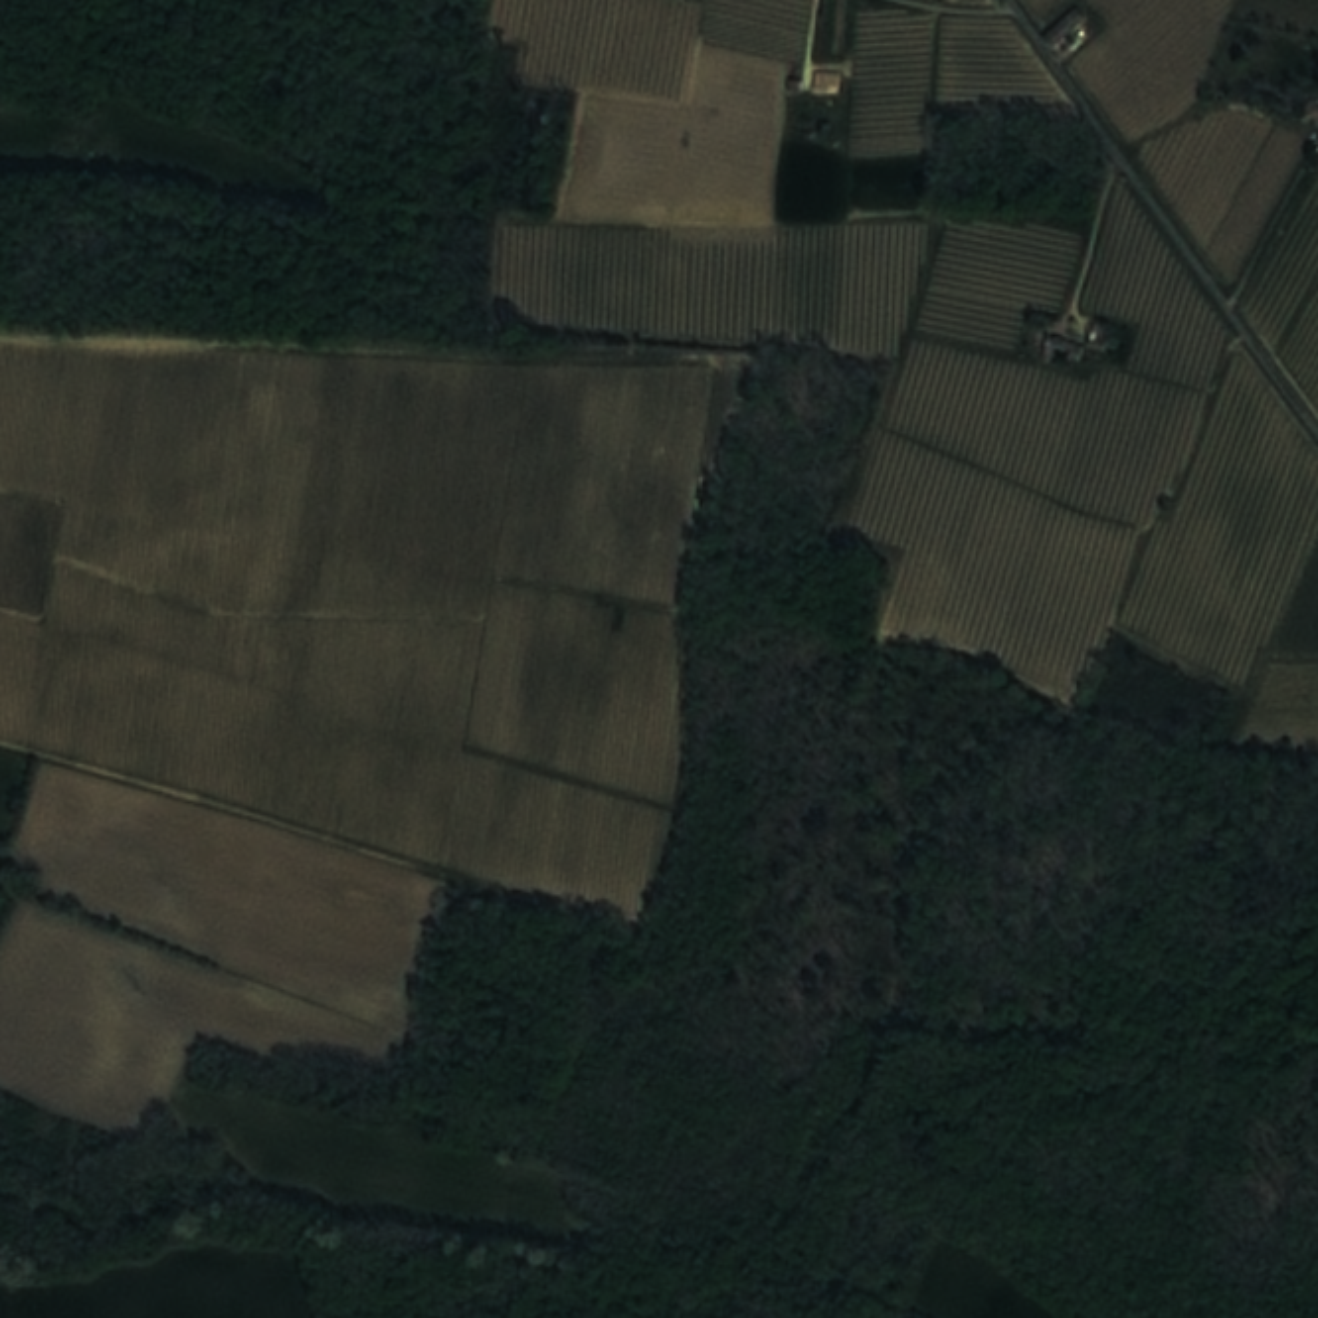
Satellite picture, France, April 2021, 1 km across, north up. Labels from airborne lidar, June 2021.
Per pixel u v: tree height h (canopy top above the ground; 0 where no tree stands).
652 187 0
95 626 0
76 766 0
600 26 0
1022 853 21
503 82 9
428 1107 21
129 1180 15
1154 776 19
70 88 20
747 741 10
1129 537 0
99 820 0
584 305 0
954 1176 20
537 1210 0
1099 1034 20
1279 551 0
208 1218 17
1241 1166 18
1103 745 14
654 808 0
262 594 0
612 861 0
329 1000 0
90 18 28
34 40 21
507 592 0
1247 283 0
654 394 0
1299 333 0
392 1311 19
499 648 0
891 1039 21
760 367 18
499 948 27
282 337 19
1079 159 20
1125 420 0
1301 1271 21
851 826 8
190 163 0
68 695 0
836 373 19
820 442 19
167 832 0
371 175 24
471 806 0
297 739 0
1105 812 19
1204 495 0
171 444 0
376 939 0
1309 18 0
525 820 0
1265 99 15
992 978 19
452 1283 26
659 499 0
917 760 25
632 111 0
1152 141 0
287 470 0
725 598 19
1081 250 0
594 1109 14
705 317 0
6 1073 0
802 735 10
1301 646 0
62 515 0
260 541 0
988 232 0
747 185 0
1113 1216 20
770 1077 13
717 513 13
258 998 0
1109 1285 24
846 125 0
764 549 17
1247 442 0
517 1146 13
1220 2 0
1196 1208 20
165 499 0
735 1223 14
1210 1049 21
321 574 0
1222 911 18
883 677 19
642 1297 21
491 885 0
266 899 0
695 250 0
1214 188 0
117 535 0
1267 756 20
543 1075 24
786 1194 15
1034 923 14
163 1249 17
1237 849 19
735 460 17
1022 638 0
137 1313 0
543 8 0
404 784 0
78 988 0
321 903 0
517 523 0
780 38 0
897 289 0
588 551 0
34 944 0
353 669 0
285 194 0
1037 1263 23
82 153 0
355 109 23
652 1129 13
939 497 0
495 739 0
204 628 0
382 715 0
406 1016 0
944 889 20
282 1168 0
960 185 22
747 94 0
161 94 26
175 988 0
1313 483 0
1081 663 0
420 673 0
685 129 0
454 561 0
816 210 0
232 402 0
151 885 0
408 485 0
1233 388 0
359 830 0
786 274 0
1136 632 0
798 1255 22
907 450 0
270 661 0
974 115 12
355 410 0
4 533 0
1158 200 0
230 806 0
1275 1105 17
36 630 0
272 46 20
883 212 0
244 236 23
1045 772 14
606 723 0
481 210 22
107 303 22
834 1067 15
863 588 22
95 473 0
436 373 0
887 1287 8
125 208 21
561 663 0
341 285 21
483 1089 22
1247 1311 21
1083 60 0
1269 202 0
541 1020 23
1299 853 19
